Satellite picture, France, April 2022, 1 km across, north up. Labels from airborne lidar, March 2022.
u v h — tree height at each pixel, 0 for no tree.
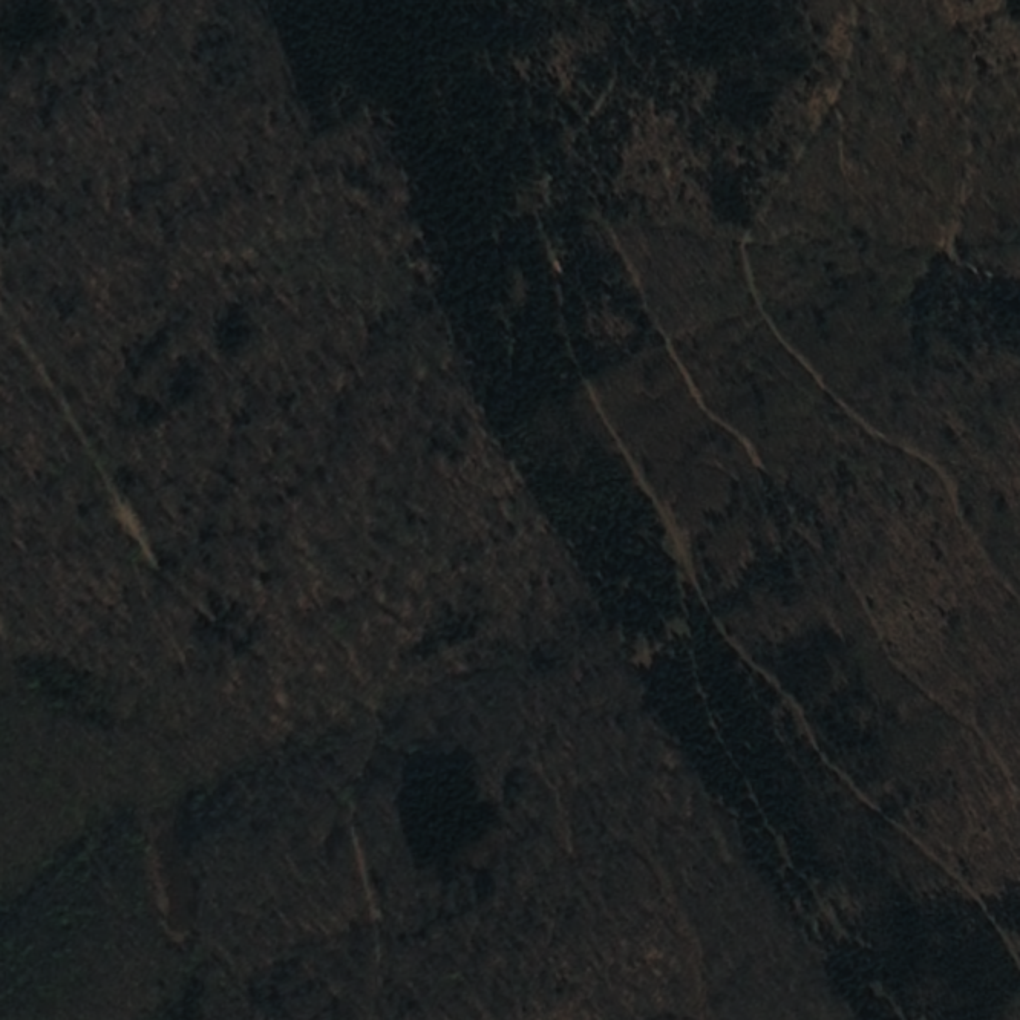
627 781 24
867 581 22
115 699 22
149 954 29
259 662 26
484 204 28
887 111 31
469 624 24
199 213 25
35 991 27
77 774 29
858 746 18
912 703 17
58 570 32
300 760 28
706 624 14
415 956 28
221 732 28
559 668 19
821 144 22
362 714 22
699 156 25
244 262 28
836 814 15
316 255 21
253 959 27
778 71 21
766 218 13
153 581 29
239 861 27
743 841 19
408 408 22
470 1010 27
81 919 25
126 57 27
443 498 18
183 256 26
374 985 25
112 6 29
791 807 15
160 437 28
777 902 22
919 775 17
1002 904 16
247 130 23
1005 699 22
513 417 12
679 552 0
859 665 17
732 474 10
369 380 25
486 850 14
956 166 11
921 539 19
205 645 28
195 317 21
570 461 9
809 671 20
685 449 10
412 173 22
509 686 24
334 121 17
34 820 32
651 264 26
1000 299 20
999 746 21
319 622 25
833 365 16
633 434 14
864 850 19
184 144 25
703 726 16
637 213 25
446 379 21
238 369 32
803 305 9
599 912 23
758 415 14
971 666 21
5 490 19
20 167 32
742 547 16
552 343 30
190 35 29
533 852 23
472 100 29
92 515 32
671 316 26
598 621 23
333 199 18
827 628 17
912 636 17
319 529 24
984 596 17
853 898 13
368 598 27
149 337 23
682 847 20
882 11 13
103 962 24
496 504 20
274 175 22
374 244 18
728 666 19
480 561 20
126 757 32
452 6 30
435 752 19
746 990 24
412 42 27
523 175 30
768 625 21
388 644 26
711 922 27
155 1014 26
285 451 27
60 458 32
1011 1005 14
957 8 18
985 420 27
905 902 17
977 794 21
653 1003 29
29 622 27
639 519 21
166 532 26
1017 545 27
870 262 10
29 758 31
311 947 28
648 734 21
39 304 29
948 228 27
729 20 25
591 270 23
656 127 26
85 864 32
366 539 21
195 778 32
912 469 21
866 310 15
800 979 24
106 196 29
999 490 23
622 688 21
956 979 18
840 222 8
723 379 7
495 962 23
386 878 9
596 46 21
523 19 19
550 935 21
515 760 24
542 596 15
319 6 25
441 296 18
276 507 26
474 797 25
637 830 21
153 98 28
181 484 28
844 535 23
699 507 11
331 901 28
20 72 33
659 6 21
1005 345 17
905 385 23
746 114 23
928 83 9
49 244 30
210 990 25
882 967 20
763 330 8
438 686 27
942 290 20
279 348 27
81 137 31
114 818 33
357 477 24
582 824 24
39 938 28
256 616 23
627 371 15
